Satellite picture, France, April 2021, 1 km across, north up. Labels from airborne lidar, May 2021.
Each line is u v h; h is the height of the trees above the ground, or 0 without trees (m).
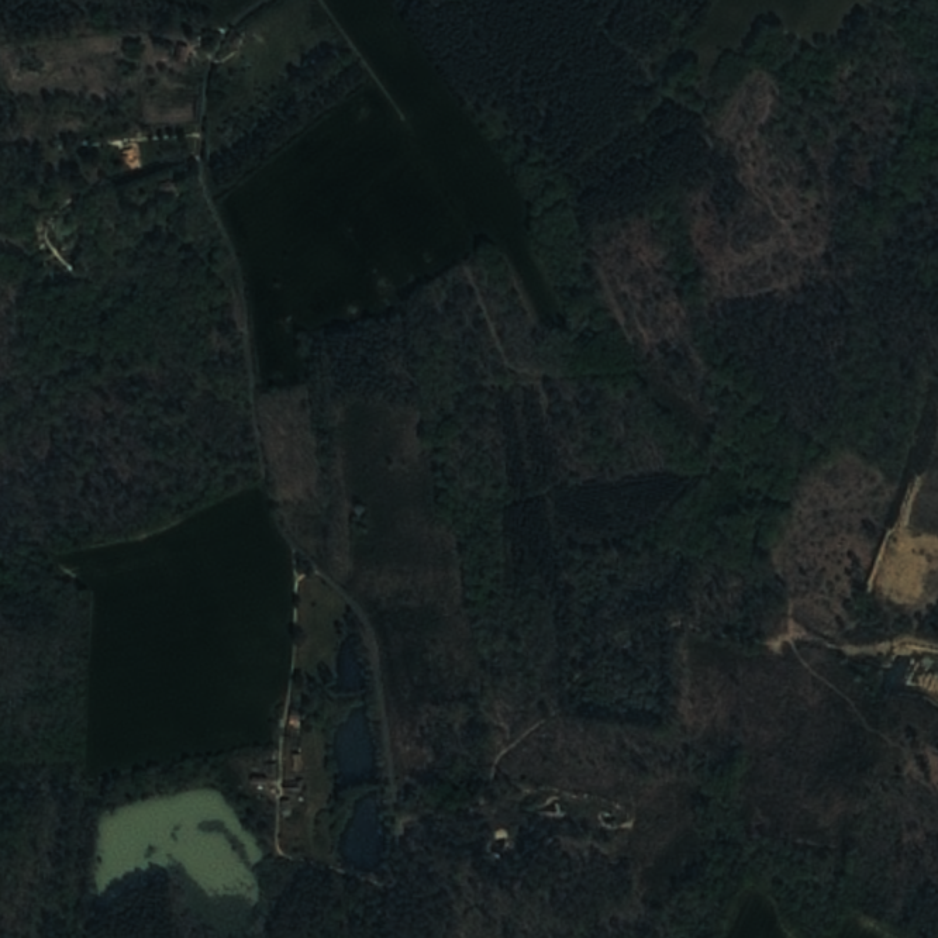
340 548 23
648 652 15
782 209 6
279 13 0
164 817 0
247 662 0
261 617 0
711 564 17
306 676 12
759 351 22
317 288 0
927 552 0
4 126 17
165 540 0
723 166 12
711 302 7
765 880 23
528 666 16
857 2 0
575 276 20
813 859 20
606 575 10
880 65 17
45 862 16
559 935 17
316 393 16
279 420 17
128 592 0
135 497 17
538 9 20
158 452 18
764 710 0
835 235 12
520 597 9
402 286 0
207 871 0
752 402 20
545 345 23
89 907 16
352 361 21
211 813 0
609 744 15
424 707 8
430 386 19
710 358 21
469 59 20
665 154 15
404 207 0
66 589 15
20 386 18
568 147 18
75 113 7
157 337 22
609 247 11
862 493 0
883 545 0
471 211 0
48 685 16
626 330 8
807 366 22
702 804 19
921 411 18
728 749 7
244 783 0
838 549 0
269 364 0
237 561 0
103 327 21
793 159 13
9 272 17
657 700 10
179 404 11
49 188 15
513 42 21
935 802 10
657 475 9
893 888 9
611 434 16
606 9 20
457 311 18
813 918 18
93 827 21
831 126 14
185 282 19
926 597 0
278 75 0
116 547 0
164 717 0
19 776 7
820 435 21
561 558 15
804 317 23
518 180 15
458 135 0
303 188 0
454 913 24
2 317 18
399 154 0
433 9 20
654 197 13
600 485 7
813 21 0
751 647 17
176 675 0
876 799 8
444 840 25
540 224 20
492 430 7
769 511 27
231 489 17
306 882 21
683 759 15
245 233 0
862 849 14
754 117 11
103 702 0
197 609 0
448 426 22
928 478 0
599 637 22
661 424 20
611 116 21
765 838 19
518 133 15
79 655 16
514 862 7
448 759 23
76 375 23
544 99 22
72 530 14
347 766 0
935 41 19
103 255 20
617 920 13
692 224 12
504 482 12
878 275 22
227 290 16
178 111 0
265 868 10
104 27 14
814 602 0
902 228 21
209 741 0
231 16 0
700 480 12
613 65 20
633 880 30
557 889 8
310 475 19
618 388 21
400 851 25
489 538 19
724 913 14
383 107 0
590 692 8
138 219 16
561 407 20
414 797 20
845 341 22
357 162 0
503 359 15
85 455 15
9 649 11
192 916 17
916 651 0
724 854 16
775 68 15
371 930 22
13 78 0
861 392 21
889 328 27
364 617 0
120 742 0
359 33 0
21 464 16
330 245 0
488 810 8
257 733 0
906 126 21
